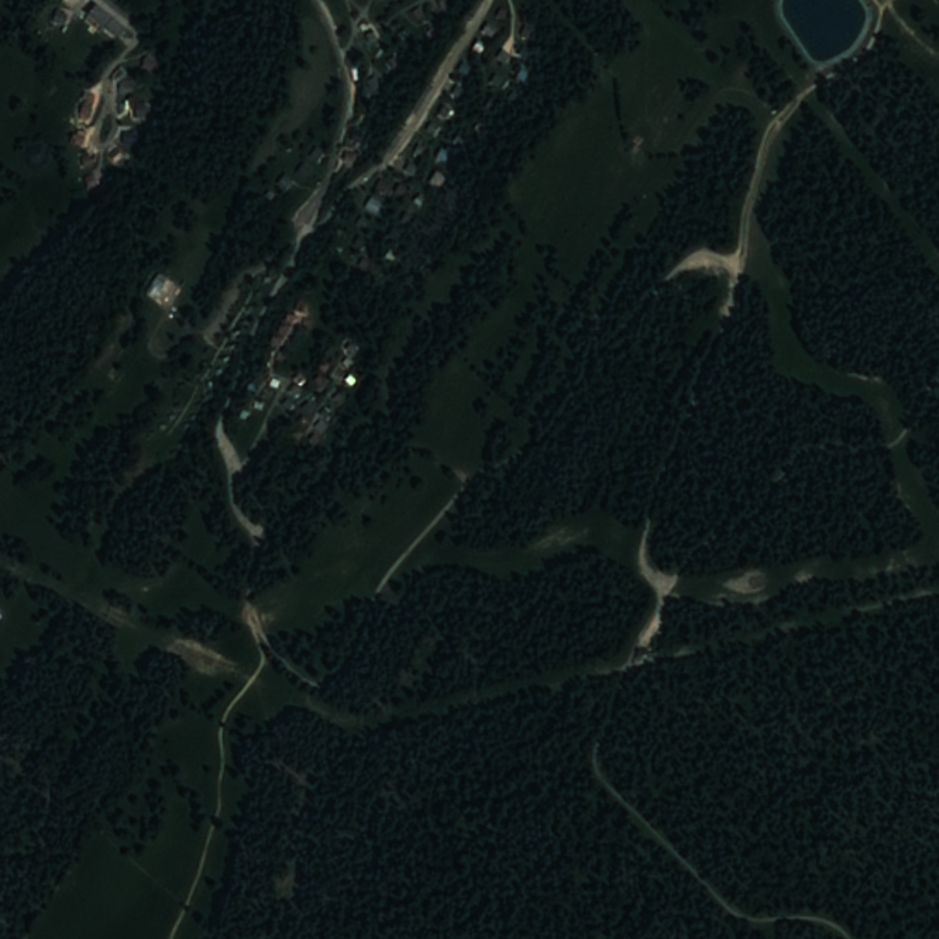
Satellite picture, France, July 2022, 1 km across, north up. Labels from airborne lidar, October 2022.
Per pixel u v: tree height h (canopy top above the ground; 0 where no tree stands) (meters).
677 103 0
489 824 24
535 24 12
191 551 0
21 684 29
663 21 0
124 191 27
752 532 26
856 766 30
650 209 0
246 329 7
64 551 0
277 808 20
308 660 23
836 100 23
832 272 26
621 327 14
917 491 0
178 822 0
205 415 6
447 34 9
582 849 18
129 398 0
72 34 0
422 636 24
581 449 17
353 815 26
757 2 0
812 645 24
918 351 27
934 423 22
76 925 0
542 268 0
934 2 0
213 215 0
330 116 21
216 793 0
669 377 26
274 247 13
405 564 0
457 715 17
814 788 12
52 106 0
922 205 18
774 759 25
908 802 23
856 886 24
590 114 0
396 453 22
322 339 22
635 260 22
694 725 17
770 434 15
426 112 0
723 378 28
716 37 0
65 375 11
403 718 0
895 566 0
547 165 0
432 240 11
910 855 27
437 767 25
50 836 19
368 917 24
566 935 21
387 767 17
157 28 14
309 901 27
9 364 19
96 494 15
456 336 21
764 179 0
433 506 0
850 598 16
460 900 22
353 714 18
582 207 0
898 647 27
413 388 16
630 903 19
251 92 24
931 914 9
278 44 25
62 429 16
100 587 0
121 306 13
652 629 0
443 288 0
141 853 21
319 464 17
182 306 0
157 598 0
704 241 7
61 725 8
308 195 0
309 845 15
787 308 0
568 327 20
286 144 15
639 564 0
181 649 0
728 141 18
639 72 0
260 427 0
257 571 16
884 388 0
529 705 10
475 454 0
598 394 13
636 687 11
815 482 20
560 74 10
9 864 24
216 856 0
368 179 0
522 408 21
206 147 13
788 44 15
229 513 25
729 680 21
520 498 14
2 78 0
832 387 0
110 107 0
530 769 25
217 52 27
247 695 0
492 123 8
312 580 0
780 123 0
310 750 21
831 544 8
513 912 26
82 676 26
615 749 15
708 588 0
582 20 11
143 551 18
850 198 22
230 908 29
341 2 0
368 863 7
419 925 24
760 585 0
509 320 0
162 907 0
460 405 0
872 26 0
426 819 29
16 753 27
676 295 8
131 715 20
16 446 22
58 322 21
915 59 0
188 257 0
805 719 26
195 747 0
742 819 23
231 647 0
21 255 0
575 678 0
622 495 8
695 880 23
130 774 22
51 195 0
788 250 16
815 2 0
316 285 21
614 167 0
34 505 0
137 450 24
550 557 0
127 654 0
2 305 28
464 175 22
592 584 32
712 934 22
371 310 21
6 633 0
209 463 14
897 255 7
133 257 23
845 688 11
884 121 7
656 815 18
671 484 13
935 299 8
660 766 14
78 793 22
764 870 9
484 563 0
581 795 19
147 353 0
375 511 0
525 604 22
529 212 0
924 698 27
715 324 0
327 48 0
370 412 15
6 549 7
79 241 31
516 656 23
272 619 0
